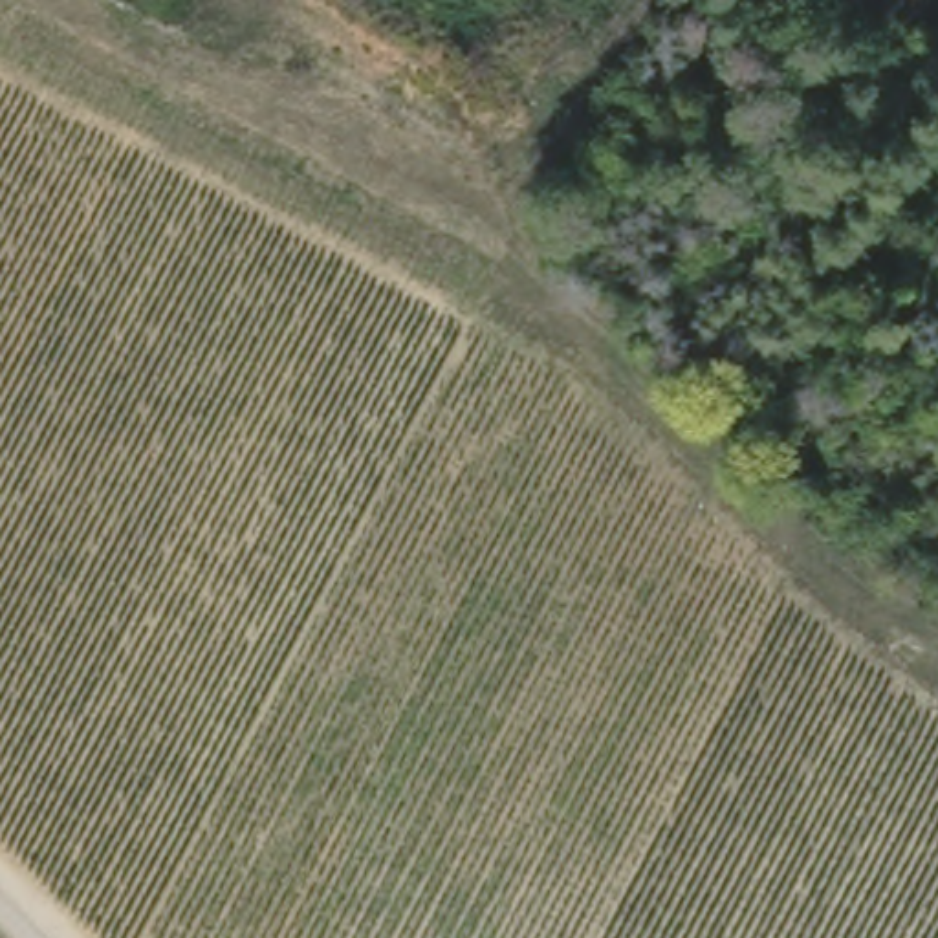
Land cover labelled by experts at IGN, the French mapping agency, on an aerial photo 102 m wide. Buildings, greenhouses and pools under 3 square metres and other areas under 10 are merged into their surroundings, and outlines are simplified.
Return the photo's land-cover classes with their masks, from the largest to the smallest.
<instances>
[{"label":"vineyard","instance_id":"1","mask_svg":"<svg viewBox=\"0 0 938 938\"><path fill-rule=\"evenodd\" d=\"M656 388L641 366H630L616 355L605 363L590 348H564L561 355L546 352L542 344H531L524 333H513L502 322H495L491 315H473L462 300L414 278L396 260H381L359 242L326 231L322 224H311L256 198L242 183L224 180L216 169L172 154L147 132L128 128L117 117L84 106L73 95L40 84L22 66H7L0 59V843L11 854H18L29 865V872L99 938H938V696L909 674L923 652V641L916 634L898 630L890 641L872 645L843 619H835L817 597L799 590L795 579L780 568L788 550L795 546V528L802 524V513L780 517L766 528L747 524L718 491L711 447L682 440L649 407Z\"/></svg>","mask_w":938,"mask_h":938},{"label":"coniferous trees","instance_id":"2","mask_svg":"<svg viewBox=\"0 0 938 938\"><path fill-rule=\"evenodd\" d=\"M682 18L678 29H660L656 48H649V40L630 29L597 59L590 73H583L561 95L550 121L535 128L539 165L524 187L535 198L528 216L535 231L546 235L535 275L546 278L550 271H564L594 286L601 297H612L608 344L616 355L630 366H641L656 388H663L667 396H682L689 385L718 388L733 407L744 410L725 429L740 447L788 443L799 454L795 476L806 484L802 513V524H813L817 539L846 557L868 550L879 553L894 572L938 586V0H674Z\"/></svg>","mask_w":938,"mask_h":938},{"label":"herbaceous vegetation","instance_id":"3","mask_svg":"<svg viewBox=\"0 0 938 938\"><path fill-rule=\"evenodd\" d=\"M682 18L674 0H0V59L7 66H22L40 84L73 95L84 106L117 117L128 128L147 132L172 154L216 169L224 180L242 183L256 198L311 224H322L326 231L359 242L381 260H396L414 278L462 300L473 315H491L495 322H502L513 333H524L531 344H542L546 352L561 355L564 348H590L605 363L616 355L608 344L612 297H601L594 286L564 271H550L546 278L535 275L546 235L535 231L528 216L535 198L524 187L539 165L535 128L550 121L561 95L583 73H590L597 59L630 29L649 40V48H656L660 29H678ZM649 407L682 440L711 447L718 491L747 524L766 528L780 517L802 513L806 484L795 476L799 454L788 443L740 447L725 429L744 410L733 407L718 388L689 385L682 396H667L663 388H656ZM780 568L795 579L799 590L817 597L835 619H843L872 645L890 641L898 630L916 634L923 641V652L909 674L938 696V586L894 572L879 553L868 550L846 557L817 539L813 524H802L795 528V546L788 550Z\"/></svg>","mask_w":938,"mask_h":938},{"label":"pervious surface","instance_id":"4","mask_svg":"<svg viewBox=\"0 0 938 938\"><path fill-rule=\"evenodd\" d=\"M0 938H99L29 872V865L18 854H11L0 843Z\"/></svg>","mask_w":938,"mask_h":938}]
</instances>
